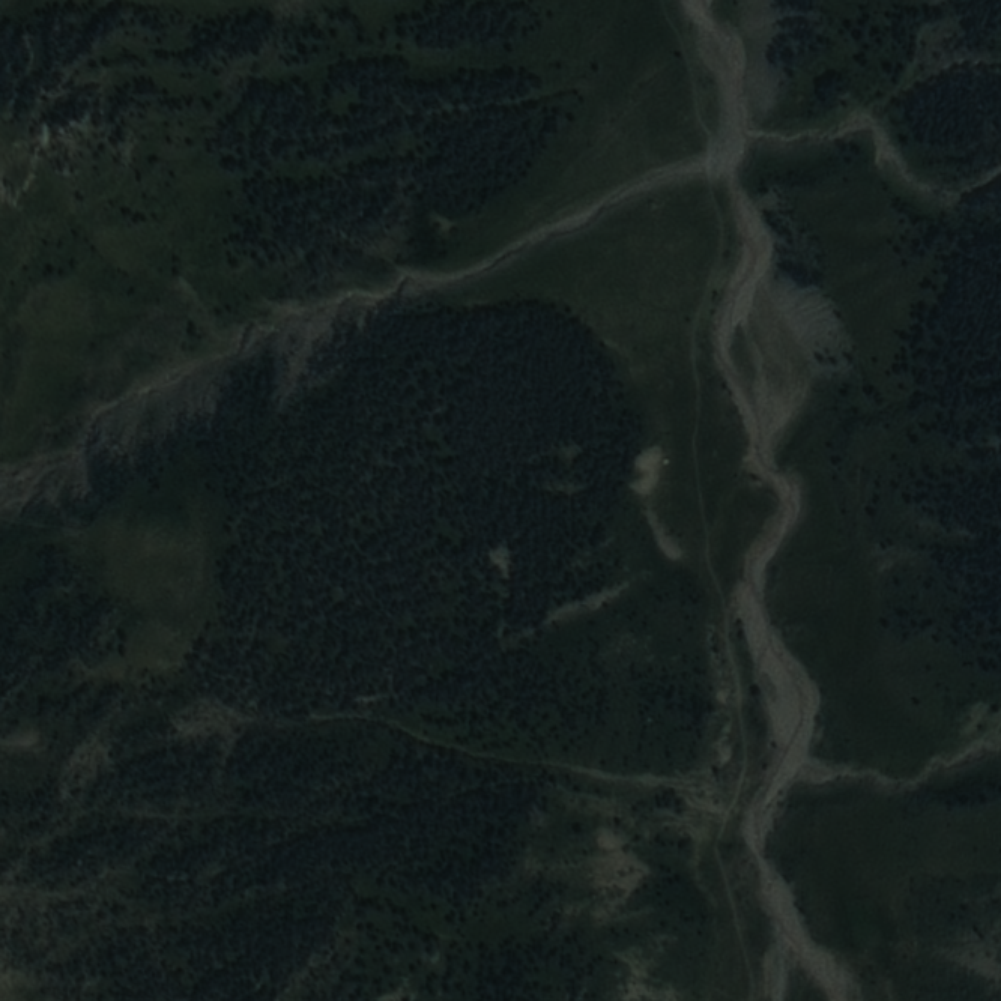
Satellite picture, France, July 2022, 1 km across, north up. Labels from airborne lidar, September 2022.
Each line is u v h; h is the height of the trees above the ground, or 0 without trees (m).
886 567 0
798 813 0
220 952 11
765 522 0
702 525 0
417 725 0
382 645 16
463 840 9
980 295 17
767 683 0
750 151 0
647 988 0
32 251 0
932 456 0
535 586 9
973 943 0
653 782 0
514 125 14
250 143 11
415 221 11
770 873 0
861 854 0
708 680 0
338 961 11
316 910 7
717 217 0
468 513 16
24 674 6
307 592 8
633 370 0
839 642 0
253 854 13
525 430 18
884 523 0
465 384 19
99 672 0
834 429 0
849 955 0
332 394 9
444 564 17
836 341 0
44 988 6
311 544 10
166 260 0
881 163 0
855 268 0
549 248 0
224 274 0
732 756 0
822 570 0
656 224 0
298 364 0
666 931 0
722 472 0
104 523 0
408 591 13
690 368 0
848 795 0
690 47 0
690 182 0
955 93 12
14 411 0
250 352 0
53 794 11
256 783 7
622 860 0
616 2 0
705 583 0
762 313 0
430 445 20
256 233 13
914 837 0
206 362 0
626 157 0
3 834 0
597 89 0
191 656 10
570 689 6
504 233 0
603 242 0
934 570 0
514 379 20
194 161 0
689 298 0
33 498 0
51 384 0
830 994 0
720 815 0
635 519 0
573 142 0
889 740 0
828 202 0
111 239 0
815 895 0
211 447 9
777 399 0
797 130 0
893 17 8
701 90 0
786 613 0
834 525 0
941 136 11
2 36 13
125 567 0
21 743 0
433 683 17
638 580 0
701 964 0
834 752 0
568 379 13
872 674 0
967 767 0
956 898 0
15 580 0
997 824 0
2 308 0
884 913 0
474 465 15
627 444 15
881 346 0
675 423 0
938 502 10
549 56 0
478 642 9
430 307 10
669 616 0
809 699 0
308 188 12
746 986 0
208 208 0
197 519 0
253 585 8
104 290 0
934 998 0
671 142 0
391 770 12
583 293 0
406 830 8
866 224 0
